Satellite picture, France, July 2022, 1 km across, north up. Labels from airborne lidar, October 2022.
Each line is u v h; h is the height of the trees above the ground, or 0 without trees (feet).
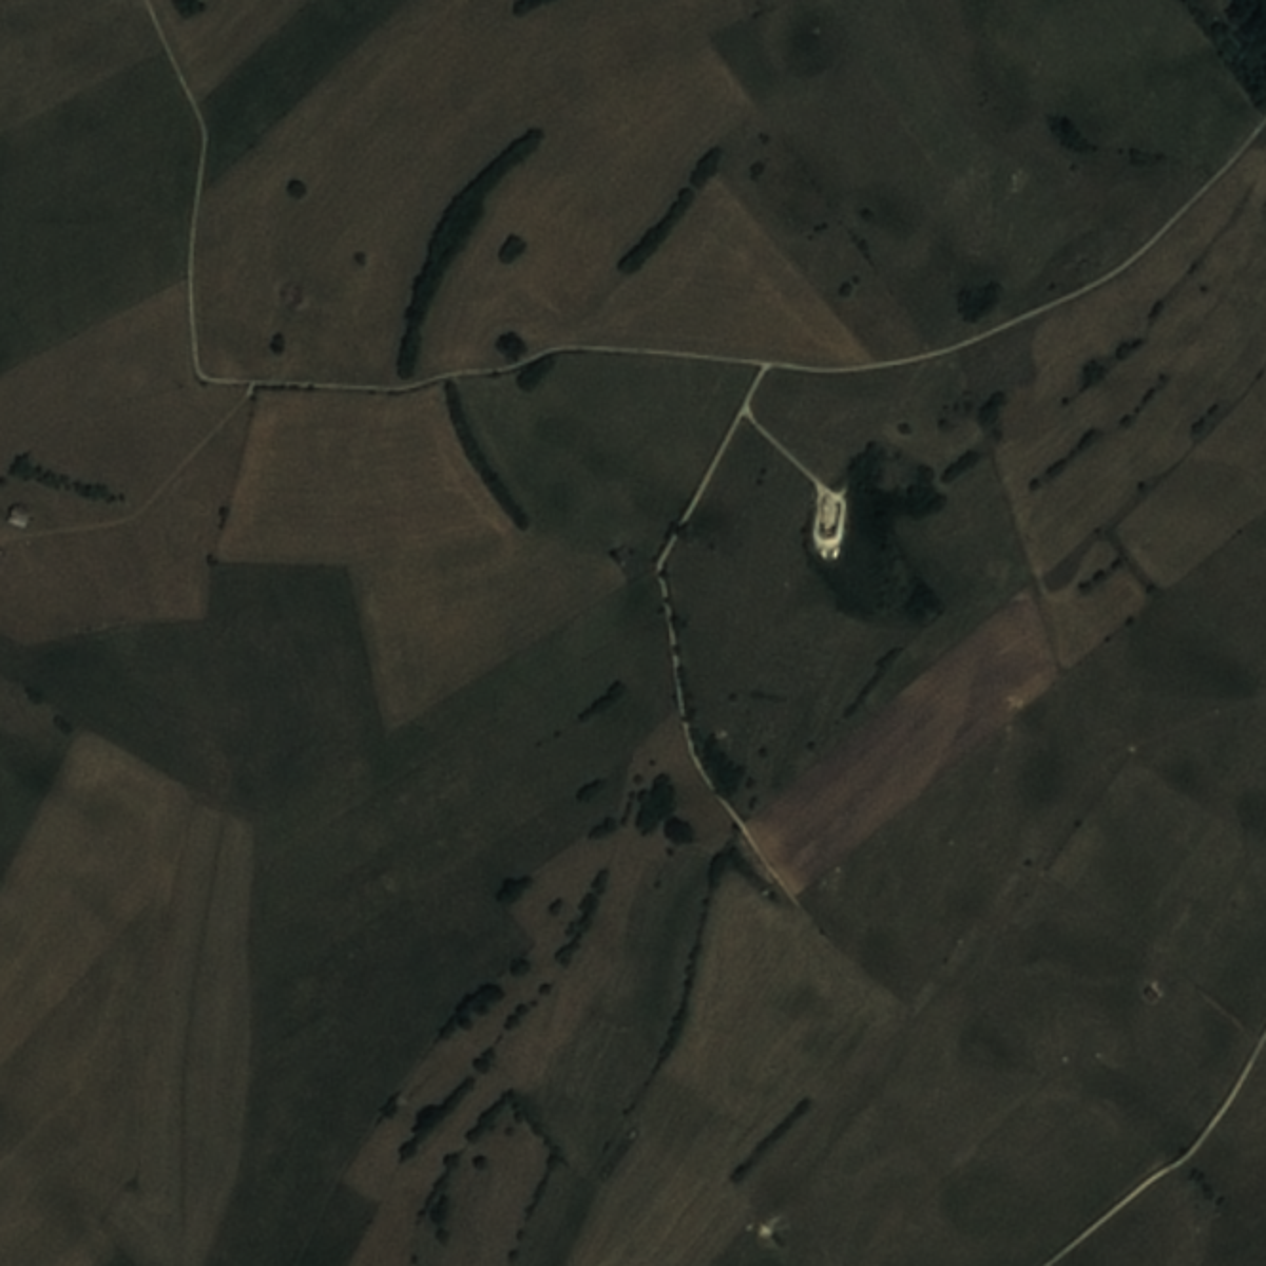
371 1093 0
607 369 0
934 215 0
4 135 0
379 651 0
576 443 0
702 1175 0
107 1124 0
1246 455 0
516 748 0
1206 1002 0
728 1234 0
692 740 20
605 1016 0
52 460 0
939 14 0
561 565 0
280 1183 0
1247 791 0
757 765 0
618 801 0
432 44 0
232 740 0
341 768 0
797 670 0
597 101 0
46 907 0
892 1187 0
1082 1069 0
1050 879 0
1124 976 0
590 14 0
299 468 0
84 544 0
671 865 0
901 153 0
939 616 0
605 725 0
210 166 0
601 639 0
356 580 0
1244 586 0
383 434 0
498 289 0
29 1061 0
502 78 0
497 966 0
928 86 0
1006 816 0
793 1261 0
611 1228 0
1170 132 0
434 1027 0
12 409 0
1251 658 0
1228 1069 0
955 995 0
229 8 0
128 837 0
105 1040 0
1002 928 0
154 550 0
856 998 0
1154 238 0
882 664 19
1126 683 0
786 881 0
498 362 0
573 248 0
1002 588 0
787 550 0
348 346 0
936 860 0
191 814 0
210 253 0
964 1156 0
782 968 0
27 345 0
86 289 0
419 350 20
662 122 0
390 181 0
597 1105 0
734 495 0
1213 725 0
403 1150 23
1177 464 0
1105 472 0
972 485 0
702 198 0
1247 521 0
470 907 0
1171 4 0
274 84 0
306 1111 0
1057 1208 0
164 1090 0
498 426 0
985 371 0
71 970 0
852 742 0
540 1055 0
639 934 0
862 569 0
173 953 0
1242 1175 0
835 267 0
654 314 0
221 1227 0
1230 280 0
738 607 0
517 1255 20
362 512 0
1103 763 0
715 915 0
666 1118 0
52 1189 0
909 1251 0
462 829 0
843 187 0
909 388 0
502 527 0
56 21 0
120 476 0
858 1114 0
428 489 0
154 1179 0
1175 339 0
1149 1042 0
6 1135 0
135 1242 0
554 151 0
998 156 0
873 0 0
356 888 0
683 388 0
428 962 0
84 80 0
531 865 0
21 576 0
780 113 0
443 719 0
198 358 0
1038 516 0
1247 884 0
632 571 0
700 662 0
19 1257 0
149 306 0
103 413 0
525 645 0
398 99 0
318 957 0
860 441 0
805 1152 0
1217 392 0
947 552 0
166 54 0
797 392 0
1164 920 0
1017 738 0
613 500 0
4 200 0
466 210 23
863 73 0
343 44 0
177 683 0
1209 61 0
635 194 0
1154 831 0
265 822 0
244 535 0
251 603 0
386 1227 0
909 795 0
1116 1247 0
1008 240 0
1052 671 0
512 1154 0
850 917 0
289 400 0
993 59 0
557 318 0
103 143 0
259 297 0
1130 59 0
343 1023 0
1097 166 0
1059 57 0
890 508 23
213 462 0
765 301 0
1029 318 0
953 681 0
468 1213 0
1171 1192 0
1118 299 0
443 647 0
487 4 0
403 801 0
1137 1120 0
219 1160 0
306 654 0
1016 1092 0
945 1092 0
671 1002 0
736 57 0
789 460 0
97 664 0
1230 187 0
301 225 0
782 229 0
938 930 0
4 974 0
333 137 0
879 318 0
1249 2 37
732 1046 0
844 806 0
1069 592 0
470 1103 0
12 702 0
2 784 0
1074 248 0
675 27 0
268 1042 0
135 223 0
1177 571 0
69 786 0
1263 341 0
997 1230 0
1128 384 0
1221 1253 0
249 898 0
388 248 0
